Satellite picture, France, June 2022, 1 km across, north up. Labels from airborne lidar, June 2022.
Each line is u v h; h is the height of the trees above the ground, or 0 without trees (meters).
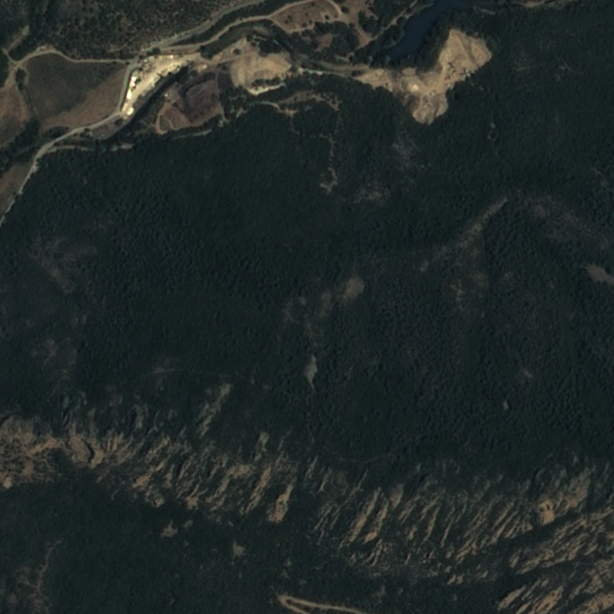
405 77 0
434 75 0
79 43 6
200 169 6
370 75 0
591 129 9
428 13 0
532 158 8
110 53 10
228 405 6
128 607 7
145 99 0
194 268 13
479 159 7
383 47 18
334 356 12
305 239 10
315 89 5
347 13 11
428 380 11
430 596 7
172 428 6
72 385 6
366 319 5
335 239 15
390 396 7
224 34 6
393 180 6
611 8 6
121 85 0
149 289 11
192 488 6
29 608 7
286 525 6
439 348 11
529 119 7
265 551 8
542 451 7
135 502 7
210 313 6
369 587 8
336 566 6
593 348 10
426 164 8
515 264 8
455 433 10
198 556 9
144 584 9
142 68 6
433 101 0
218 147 13
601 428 9
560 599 6
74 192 8
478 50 0
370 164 13
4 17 6
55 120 0
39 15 8
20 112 0
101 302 10
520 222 17
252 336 9
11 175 0
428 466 6
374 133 8
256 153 9
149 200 8
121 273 7
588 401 8
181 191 9
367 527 5
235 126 8
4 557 9
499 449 10
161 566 6
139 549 8
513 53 7
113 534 7
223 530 5
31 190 10
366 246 6
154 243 9
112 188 12
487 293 6
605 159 6
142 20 7
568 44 7
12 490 6
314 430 10
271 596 6
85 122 0
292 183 7
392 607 7
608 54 11
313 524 8
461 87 13
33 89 0
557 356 11
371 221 6
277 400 7
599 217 10
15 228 15
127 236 12
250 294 6
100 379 6
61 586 7
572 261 9
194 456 7
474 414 13
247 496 8
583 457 8
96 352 13
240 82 0
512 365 7
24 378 6
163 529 9
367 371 13
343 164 11
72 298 7
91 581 8
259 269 9
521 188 12
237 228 12
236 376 6
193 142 10
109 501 8
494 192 10
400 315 12
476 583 6
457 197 15
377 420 6
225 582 6
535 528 7
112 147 11
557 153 7
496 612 10
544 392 8
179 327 6
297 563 6
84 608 7
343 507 6
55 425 6
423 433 10
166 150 12
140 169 9
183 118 0
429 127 12
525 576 7
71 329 7
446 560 6
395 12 9
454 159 12
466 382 6
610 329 7
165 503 8
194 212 9
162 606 7
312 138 6
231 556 6
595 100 7
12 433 0
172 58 0
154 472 6
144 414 5
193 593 7
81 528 8
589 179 6
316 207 8
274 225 6
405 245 5
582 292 13
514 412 12
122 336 9
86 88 0
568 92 6
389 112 8
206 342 7
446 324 12
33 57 0
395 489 0
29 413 8
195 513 6
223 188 16
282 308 7
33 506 9
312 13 0
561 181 11
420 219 8
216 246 16
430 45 15
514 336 11
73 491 8
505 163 11
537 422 9
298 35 8
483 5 0
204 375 6
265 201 8
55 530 7
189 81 11
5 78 6
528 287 12
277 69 0
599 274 0
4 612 6
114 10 7
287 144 7
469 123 9
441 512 6
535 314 7
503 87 10
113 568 8
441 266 7
